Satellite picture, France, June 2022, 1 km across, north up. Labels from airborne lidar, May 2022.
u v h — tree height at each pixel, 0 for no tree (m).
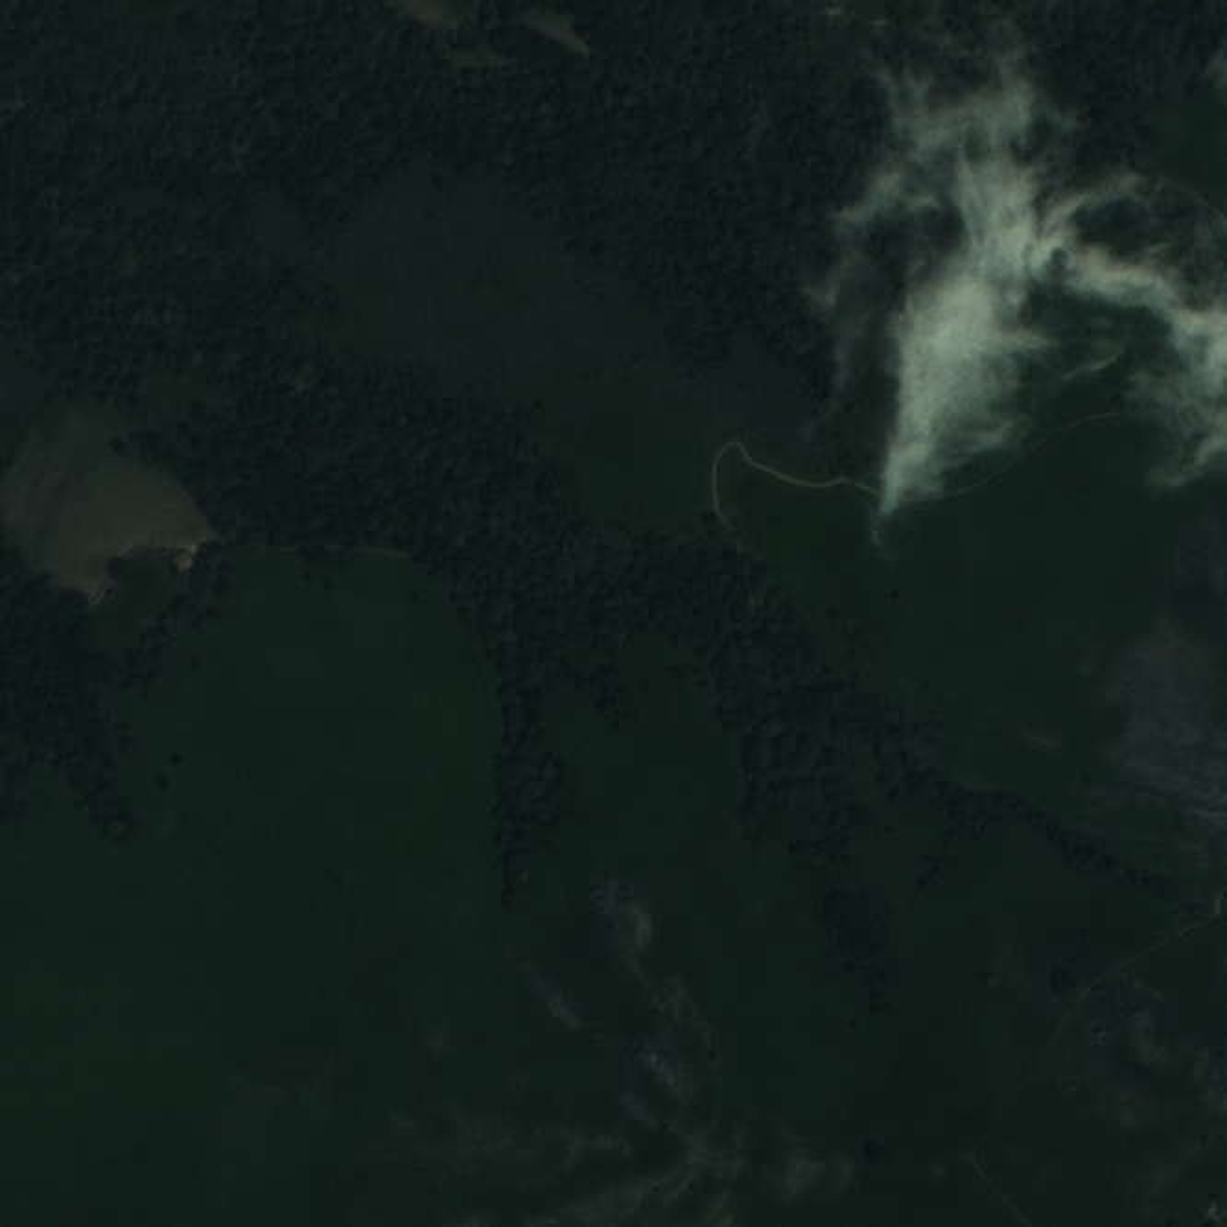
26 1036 0
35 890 0
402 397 15
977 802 11
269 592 0
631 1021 0
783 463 0
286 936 0
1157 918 0
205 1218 0
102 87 14
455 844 0
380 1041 0
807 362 18
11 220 15
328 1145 0
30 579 12
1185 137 0
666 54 18
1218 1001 0
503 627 11
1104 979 0
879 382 0
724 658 18
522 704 12
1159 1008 0
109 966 0
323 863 0
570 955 0
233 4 22
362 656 0
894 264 15
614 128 24
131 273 23
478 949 0
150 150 16
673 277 9
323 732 0
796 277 15
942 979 0
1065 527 0
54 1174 0
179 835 0
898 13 22
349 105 13
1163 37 33
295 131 13
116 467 0
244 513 21
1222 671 0
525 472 20
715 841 0
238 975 0
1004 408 0
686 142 12
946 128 18
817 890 0
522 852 13
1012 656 0
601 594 14
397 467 13
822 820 10
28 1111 0
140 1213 0
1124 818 0
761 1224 0
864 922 19
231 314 29
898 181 8
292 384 12
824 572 0
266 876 0
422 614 0
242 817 0
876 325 0
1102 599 0
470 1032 0
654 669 0
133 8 9
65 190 15
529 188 16
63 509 0
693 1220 0
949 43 22
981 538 0
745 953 0
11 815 10
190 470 12
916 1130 0
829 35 12
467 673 0
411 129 10
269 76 16
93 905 0
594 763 0
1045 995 0
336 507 16
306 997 0
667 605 18
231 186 12
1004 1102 0
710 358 10
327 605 0
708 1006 0
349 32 27
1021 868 0
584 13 24
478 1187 0
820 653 15
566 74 32
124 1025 0
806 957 0
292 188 13
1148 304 0
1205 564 0
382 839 0
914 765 10
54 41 7
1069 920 0
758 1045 0
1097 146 15
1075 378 0
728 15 8
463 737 0
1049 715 0
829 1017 0
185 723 0
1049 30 19
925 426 14
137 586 0
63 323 17
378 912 0
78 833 0
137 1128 0
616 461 0
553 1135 0
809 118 19
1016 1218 0
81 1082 0
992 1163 0
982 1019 0
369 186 6
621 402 0
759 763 23
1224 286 10
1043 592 0
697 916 0
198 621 12
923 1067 0
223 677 0
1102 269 0
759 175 11
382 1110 0
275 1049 0
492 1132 0
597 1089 0
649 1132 0
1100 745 0
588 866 0
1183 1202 0
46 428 0
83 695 12
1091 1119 0
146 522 0
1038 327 0
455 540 17
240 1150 0
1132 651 0
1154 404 0
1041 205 8
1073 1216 0
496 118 19
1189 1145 0
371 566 0
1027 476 0
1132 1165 0
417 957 0
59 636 20
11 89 13
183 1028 0
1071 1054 0
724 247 13
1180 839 0
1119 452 0
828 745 0
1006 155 24
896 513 0
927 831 0
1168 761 0
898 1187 0
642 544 6
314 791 0
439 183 17
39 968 0
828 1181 0
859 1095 0
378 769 0
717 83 25
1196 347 0
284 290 14
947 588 0
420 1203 0
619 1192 0
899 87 16
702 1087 0
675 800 0
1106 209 12
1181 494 0
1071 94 0
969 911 0
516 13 20
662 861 0
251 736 0
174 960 0
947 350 14
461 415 13
